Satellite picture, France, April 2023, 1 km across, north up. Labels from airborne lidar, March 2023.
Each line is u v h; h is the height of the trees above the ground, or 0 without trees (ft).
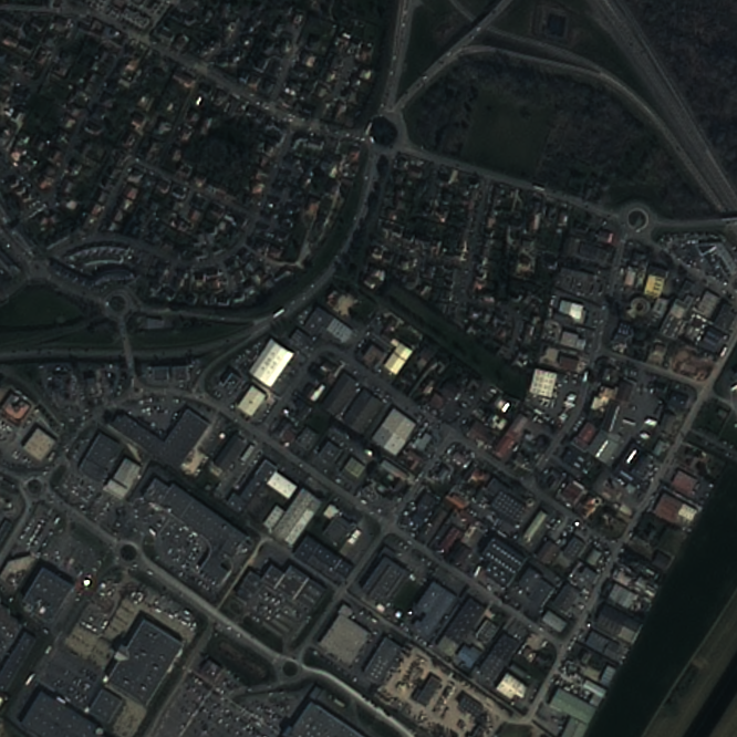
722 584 0
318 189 28
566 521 0
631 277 0
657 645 0
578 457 0
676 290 27
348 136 0
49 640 0
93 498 0
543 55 0
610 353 0
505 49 0
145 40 0
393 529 0
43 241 28
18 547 0
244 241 0
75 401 0
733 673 0
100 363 0
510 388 0
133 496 0
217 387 0
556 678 0
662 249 0
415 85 0
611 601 24
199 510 0
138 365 23
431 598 0
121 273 0
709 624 0
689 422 0
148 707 0
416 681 0
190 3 0
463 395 0
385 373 0
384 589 0
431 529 0
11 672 0
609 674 0
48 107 0
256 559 0
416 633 0
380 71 18
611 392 0
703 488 0
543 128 0
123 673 0
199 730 0
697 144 0
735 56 90
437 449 0
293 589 0
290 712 0
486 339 26
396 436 0
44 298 0
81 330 0
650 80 0
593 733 0
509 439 0
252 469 0
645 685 0
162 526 0
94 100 0
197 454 0
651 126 0
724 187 0
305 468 0
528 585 0
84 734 0
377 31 0
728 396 0
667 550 0
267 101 0
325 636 0
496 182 0
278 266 0
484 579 0
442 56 0
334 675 0
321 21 31
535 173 0
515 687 0
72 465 0
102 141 37
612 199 0
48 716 0
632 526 0
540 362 0
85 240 0
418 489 0
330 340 0
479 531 0
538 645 0
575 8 0
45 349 0
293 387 0
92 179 24
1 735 0
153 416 0
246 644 0
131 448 0
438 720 0
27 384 0
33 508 0
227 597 0
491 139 0
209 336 0
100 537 0
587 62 0
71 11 0
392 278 22
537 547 0
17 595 0
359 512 0
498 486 0
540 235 18
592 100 20
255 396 0
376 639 0
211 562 0
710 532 0
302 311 0
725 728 0
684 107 0
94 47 49
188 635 0
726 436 0
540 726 0
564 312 0
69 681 0
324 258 0
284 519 0
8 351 0
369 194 0
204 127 0
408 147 0
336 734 0
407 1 0
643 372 0
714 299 0
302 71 0
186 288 0
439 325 0
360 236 29
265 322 0
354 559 0
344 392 0
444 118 57
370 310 0
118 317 0
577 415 0
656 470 0
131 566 0
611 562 0
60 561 0
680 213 47
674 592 0
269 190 0
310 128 0
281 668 0
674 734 0
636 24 0
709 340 0
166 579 0
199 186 0
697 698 0
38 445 0
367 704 0
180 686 0
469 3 0
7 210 0
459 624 0
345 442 0
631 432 0
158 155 0
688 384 0
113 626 0
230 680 0
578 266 33
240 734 0
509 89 113
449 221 33
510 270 20
